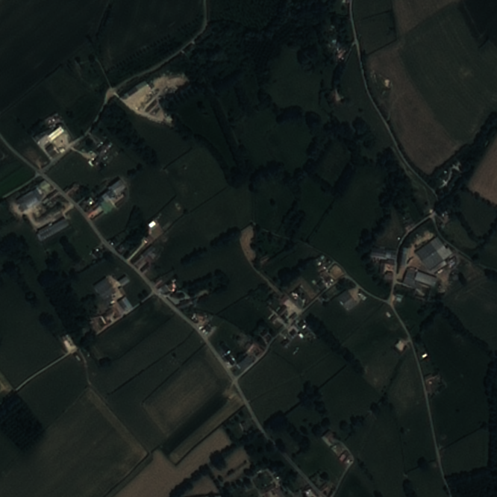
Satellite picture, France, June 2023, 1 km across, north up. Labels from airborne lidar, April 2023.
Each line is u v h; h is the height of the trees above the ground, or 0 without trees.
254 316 0
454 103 0
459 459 0
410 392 0
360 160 11
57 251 0
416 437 0
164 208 0
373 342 0
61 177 0
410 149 0
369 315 0
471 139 0
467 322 0
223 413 0
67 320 26
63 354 0
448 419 0
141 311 0
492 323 0
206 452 0
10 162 0
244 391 0
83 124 0
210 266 0
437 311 7
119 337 0
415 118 0
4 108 0
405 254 0
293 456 9
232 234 20
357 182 0
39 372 0
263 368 0
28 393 0
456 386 0
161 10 0
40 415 0
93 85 0
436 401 0
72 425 0
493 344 0
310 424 8
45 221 0
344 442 0
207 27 8
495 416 18
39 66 0
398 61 0
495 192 0
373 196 0
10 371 0
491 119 19
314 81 0
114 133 12
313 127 32
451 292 0
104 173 0
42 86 0
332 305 0
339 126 31
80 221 0
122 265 0
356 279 0
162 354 0
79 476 0
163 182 0
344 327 0
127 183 0
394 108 0
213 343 0
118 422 0
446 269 0
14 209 0
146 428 0
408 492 13
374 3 0
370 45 0
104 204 0
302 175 23
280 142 0
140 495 0
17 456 0
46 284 31
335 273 0
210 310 0
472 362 0
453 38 0
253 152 0
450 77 0
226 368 0
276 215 0
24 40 0
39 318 0
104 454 0
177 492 14
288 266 0
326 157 0
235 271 0
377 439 0
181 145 0
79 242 0
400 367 0
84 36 0
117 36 0
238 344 0
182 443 0
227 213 0
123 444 0
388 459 0
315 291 0
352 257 0
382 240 0
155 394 0
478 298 0
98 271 0
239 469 0
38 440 0
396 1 0
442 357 0
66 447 0
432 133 0
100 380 0
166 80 0
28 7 0
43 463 0
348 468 0
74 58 0
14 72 0
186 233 0
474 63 0
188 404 0
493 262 0
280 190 0
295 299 0
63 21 0
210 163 0
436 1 0
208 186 0
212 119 0
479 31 0
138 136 6
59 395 0
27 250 0
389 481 0
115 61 0
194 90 30
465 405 0
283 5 23
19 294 0
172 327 0
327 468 0
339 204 0
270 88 0
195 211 0
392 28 6
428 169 0
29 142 0
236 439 13
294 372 0
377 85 0
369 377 0
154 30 0
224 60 7
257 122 0
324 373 0
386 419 0
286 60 0
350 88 0
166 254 0
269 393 0
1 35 0
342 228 0
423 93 0
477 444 0
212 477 8
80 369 0
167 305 0
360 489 0
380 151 0
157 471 0
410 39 0
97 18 0
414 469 0
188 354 0
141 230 7
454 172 12
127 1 0
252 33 12
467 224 11
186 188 0
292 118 31
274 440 0
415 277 0
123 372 0
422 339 8
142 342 0
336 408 0
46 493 0
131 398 0
